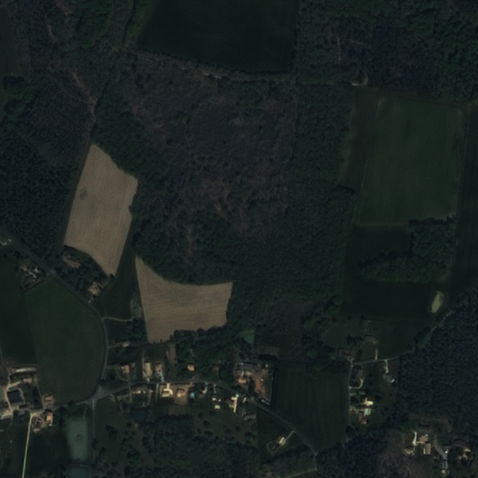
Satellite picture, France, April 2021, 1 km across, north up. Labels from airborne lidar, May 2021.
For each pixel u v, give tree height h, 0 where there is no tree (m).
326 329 16
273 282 22
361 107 0
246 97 10
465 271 0
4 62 0
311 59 19
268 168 8
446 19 25
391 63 21
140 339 9
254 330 14
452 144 0
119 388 0
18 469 0
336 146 22
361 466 21
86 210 0
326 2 16
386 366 0
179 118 12
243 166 10
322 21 16
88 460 0
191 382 0
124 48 9
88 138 9
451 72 23
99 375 0
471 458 7
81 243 0
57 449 0
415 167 0
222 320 0
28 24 12
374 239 0
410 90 20
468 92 25
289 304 8
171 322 0
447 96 20
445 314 0
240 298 20
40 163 19
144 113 13
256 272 24
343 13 19
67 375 0
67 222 0
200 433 12
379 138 0
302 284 21
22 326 0
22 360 0
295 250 21
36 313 0
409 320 0
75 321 0
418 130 0
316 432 0
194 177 13
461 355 15
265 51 0
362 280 0
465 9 23
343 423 0
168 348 0
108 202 0
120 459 0
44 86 13
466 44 29
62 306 0
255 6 0
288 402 0
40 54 11
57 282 0
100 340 0
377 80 19
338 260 19
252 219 12
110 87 21
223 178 9
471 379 18
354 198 17
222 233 17
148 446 15
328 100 18
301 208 18
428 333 15
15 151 18
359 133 0
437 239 23
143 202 13
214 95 12
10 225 16
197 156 8
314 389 0
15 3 11
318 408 0
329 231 20
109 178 0
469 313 14
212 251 14
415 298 0
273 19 0
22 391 13
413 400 17
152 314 0
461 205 0
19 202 19
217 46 0
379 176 0
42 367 0
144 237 16
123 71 13
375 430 11
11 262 0
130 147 24
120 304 0
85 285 12
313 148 23
